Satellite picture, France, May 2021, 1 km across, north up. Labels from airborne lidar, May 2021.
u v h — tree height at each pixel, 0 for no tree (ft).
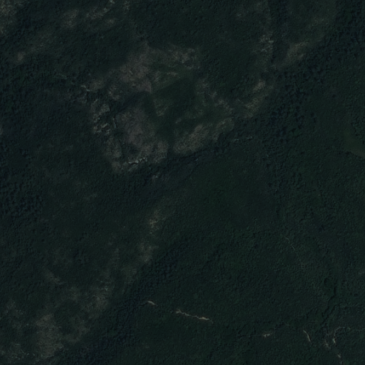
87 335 19
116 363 30
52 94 21
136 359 34
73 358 37
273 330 37
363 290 38
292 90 67
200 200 21
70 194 23
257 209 22
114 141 18
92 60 18
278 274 21
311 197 41
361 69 32
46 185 28
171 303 25
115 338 26
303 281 23
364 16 30
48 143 21
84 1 45
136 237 33
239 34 23
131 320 29
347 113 25
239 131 55
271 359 23
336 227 20
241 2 26
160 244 24
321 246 41
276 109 43
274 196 29
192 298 29
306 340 24
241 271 49
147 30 20
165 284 32
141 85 0
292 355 32
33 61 47
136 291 54
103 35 79
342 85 23
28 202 25
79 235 20
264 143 54
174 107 23
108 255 21
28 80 75
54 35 29
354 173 30
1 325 46
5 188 81
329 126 17
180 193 18
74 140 24
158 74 0
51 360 21
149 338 22
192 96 18
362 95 35
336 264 40
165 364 33
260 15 32
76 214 22
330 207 45
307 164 32
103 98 43
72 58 26
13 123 20
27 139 31
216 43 31
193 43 47
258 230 24
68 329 20
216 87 24
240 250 35
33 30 71
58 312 41
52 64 18
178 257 37
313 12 22
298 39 26
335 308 44
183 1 48
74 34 27
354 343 35
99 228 46
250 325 64
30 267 17
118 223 21
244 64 20
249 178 30
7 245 21
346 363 43
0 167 34
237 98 22
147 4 27
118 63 21
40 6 19
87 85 20
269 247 38
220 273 38
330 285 64
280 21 35
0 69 37
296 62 20
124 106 23
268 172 32
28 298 54
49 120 23
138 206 21
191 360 26
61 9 30
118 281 38
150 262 50
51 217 24
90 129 28
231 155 25
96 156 20
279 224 25
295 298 38
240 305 36
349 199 27
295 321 58
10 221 25
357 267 32
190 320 20
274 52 41
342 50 31
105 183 38
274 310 20
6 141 23
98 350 32
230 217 20
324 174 22
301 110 95
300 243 30
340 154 34
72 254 18
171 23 20
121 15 20
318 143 23
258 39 20
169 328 22
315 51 54
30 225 47
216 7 47
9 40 26
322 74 70
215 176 18
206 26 24
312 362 22
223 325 44
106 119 37
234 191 26
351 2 22
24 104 41
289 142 78
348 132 0
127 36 20
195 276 40
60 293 28
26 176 70
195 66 18
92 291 19
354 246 27
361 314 21
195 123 21
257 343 22
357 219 41
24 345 38
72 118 29
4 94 84
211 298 26
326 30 46
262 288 29
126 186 48
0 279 48
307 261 23
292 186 54
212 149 22
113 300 20
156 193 32
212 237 30
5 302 24
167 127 31
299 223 23
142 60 0
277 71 30
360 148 0
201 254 33
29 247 45
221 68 19
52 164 25
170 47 18
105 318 37
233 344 26
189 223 24
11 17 36
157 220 27
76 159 36
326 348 31
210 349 18
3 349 27
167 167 37
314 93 27
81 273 26
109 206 28
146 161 24
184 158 57
